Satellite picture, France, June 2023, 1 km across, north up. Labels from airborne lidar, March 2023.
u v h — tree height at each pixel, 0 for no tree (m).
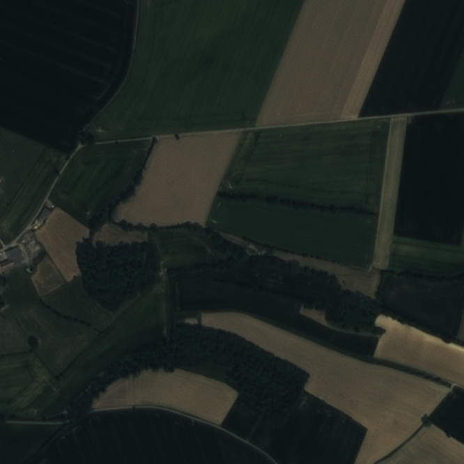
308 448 0
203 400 0
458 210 0
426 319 0
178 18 0
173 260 0
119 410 0
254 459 0
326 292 0
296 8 0
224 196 13
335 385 0
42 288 0
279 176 0
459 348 0
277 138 0
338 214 0
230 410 0
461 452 0
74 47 0
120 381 0
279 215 0
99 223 17
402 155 0
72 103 0
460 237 0
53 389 0
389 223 0
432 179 0
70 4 0
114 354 0
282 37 0
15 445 0
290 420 0
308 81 0
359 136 0
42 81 0
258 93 0
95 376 0
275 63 0
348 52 0
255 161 0
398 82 0
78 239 0
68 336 0
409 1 0
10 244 0
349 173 0
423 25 0
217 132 0
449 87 0
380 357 0
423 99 0
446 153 0
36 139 0
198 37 0
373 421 0
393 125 0
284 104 0
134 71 0
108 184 0
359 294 14
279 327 0
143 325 0
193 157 0
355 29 0
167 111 0
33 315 0
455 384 0
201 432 0
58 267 0
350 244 0
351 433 0
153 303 0
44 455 0
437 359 0
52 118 0
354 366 0
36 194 0
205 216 0
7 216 0
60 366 0
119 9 0
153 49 0
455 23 0
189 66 0
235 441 0
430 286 0
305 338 0
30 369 0
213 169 0
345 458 0
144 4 0
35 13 0
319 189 0
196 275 0
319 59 0
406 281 0
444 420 0
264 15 0
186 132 0
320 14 0
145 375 0
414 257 0
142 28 0
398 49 0
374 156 0
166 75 0
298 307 0
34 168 0
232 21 0
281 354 0
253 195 9
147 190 0
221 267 19
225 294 0
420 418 0
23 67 0
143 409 0
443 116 0
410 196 0
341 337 0
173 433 0
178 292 0
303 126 0
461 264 0
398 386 0
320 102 0
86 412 15
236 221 0
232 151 0
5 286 0
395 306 0
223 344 17
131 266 14
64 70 0
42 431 0
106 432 0
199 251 0
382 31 0
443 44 0
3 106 0
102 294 20
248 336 0
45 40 0
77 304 0
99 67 0
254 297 0
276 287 0
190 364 14
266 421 0
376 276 0
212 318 0
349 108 0
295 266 19
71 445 0
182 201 0
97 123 0
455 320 0
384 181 0
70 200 0
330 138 0
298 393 19
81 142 15
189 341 20
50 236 0
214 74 0
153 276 22
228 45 0
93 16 0
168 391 0
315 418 0
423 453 0
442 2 0
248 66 0
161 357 22
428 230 0
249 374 18
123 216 0
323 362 0
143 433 0
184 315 0
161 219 0
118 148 0
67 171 0
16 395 0
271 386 19
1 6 0
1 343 0
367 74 0
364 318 8
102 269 27
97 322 0
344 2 0
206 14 0
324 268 0
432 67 0
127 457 0
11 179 0
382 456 0
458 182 0
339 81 0
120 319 0
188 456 0
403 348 0
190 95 0
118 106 0
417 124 0
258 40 0
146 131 0
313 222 0
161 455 0
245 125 0
